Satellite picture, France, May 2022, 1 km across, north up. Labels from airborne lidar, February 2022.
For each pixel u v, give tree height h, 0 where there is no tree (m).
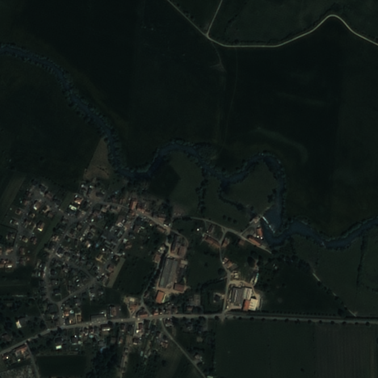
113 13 0
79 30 0
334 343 0
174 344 0
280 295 0
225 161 0
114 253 0
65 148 0
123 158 14
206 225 0
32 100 0
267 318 0
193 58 0
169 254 0
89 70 0
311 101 0
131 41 0
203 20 0
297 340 0
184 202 0
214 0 0
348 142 0
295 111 0
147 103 0
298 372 0
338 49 0
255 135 0
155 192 0
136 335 0
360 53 0
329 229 0
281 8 0
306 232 0
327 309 0
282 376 0
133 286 0
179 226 0
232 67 0
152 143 0
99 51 0
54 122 0
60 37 0
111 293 0
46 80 0
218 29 0
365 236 12
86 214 0
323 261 0
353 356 0
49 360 0
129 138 0
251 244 0
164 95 0
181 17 0
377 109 0
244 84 0
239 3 0
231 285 0
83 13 0
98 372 16
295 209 0
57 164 0
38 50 0
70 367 0
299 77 0
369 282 0
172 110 0
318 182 0
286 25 0
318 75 0
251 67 0
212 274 0
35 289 0
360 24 0
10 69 0
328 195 0
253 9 0
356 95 0
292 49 0
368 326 11
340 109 0
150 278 13
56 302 0
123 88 0
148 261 0
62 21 0
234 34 0
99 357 13
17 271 0
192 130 0
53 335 6
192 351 14
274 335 0
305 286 0
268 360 0
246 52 0
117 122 0
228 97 0
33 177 0
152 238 0
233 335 0
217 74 0
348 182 0
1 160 0
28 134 0
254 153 0
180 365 0
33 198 0
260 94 0
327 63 0
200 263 0
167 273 0
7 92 0
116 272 0
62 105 0
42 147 0
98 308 0
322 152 0
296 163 0
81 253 10
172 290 0
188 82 0
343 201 0
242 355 0
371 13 0
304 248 0
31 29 0
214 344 8
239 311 10
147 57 0
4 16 0
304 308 0
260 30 0
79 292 0
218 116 0
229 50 0
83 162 0
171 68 0
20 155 0
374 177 0
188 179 0
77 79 0
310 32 0
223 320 0
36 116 0
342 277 0
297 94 0
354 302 0
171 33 0
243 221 0
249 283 0
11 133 0
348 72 0
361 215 0
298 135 0
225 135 0
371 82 0
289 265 23
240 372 0
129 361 0
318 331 0
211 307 0
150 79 0
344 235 12
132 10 0
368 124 0
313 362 0
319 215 0
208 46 0
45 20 0
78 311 0
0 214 0
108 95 0
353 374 0
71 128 0
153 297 6
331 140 0
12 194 0
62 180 0
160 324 0
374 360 0
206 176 19
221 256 0
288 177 0
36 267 0
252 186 0
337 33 0
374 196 0
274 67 0
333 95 0
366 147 0
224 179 0
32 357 0
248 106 0
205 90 0
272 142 0
